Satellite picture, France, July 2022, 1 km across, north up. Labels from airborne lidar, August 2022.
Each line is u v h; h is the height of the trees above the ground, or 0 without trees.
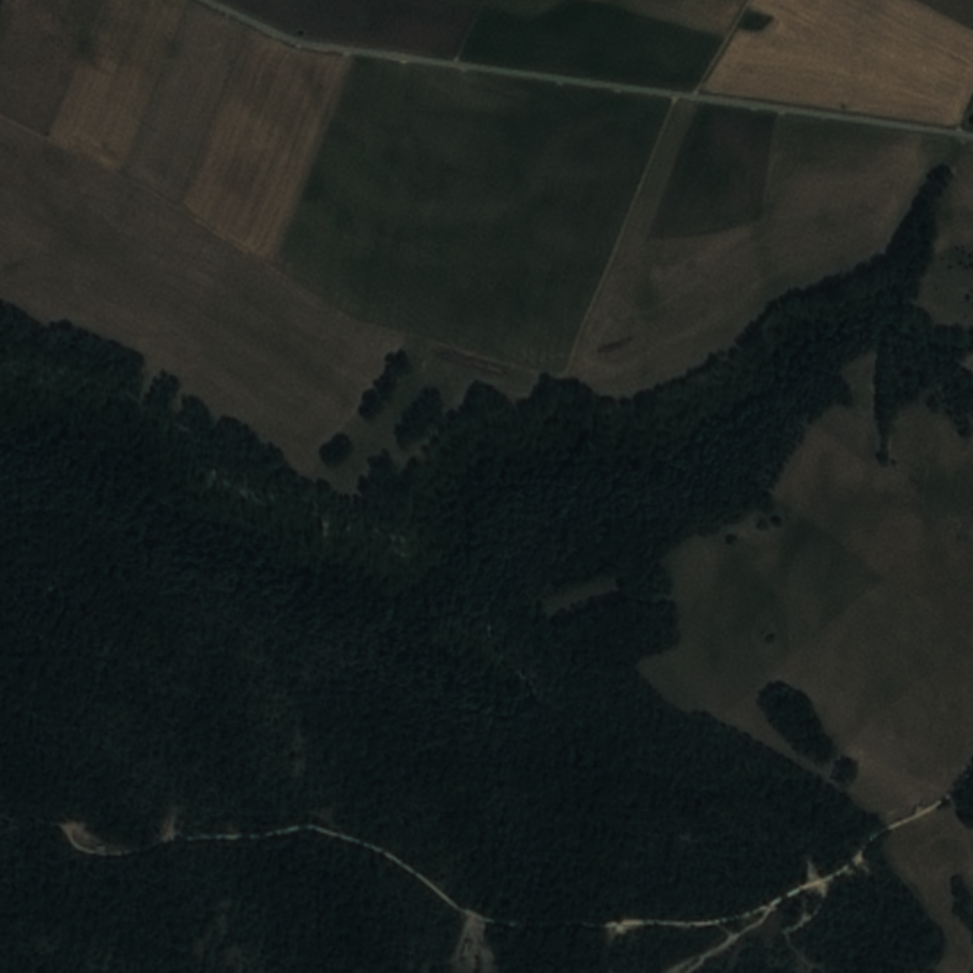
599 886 10
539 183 0
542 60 0
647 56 0
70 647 11
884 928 15
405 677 14
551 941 13
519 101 0
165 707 13
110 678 11
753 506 17
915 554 0
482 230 0
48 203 0
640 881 12
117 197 0
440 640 9
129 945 13
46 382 8
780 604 0
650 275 0
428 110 0
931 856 0
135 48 0
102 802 9
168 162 0
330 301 0
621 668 14
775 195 0
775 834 14
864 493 0
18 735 15
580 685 11
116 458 18
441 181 0
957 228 0
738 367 18
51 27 0
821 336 27
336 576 28
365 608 20
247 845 15
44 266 0
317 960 12
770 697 13
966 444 0
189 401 12
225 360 0
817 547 0
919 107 0
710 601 0
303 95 0
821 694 0
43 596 16
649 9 0
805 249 0
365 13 0
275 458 17
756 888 13
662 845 11
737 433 21
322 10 0
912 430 0
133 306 0
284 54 0
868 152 0
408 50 0
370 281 0
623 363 0
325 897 15
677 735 13
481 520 17
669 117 0
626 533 15
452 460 21
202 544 21
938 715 0
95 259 0
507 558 9
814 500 0
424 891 10
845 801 19
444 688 22
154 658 12
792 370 18
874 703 0
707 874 11
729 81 0
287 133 0
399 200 0
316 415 0
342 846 14
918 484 0
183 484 12
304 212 0
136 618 15
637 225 0
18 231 0
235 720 12
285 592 19
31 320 11
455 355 0
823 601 0
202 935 17
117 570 15
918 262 20
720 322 0
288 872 18
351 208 0
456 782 21
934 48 0
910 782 0
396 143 0
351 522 15
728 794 13
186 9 0
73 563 12
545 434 20
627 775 18
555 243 0
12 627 21
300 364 0
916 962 10
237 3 0
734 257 0
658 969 11
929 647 0
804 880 10
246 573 22
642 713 9
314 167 0
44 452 20
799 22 0
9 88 0
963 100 0
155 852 9
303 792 8
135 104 0
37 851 15
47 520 16
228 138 0
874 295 21
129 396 13
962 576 0
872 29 0
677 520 10
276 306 0
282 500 13
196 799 6
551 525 13
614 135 0
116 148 0
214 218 0
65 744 9
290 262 0
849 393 16
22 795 13
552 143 0
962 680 0
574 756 8
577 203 0
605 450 28
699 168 0
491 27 0
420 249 0
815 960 9
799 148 0
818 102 0
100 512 17
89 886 12
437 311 0
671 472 23
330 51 0
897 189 0
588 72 0
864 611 0
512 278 0
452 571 17
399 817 8
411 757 11
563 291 0
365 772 12
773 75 0
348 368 0
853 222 0
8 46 0
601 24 0
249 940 7
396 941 9
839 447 0
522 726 11
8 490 12
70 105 0
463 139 0
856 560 0
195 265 0
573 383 14
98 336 11
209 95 0
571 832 16
